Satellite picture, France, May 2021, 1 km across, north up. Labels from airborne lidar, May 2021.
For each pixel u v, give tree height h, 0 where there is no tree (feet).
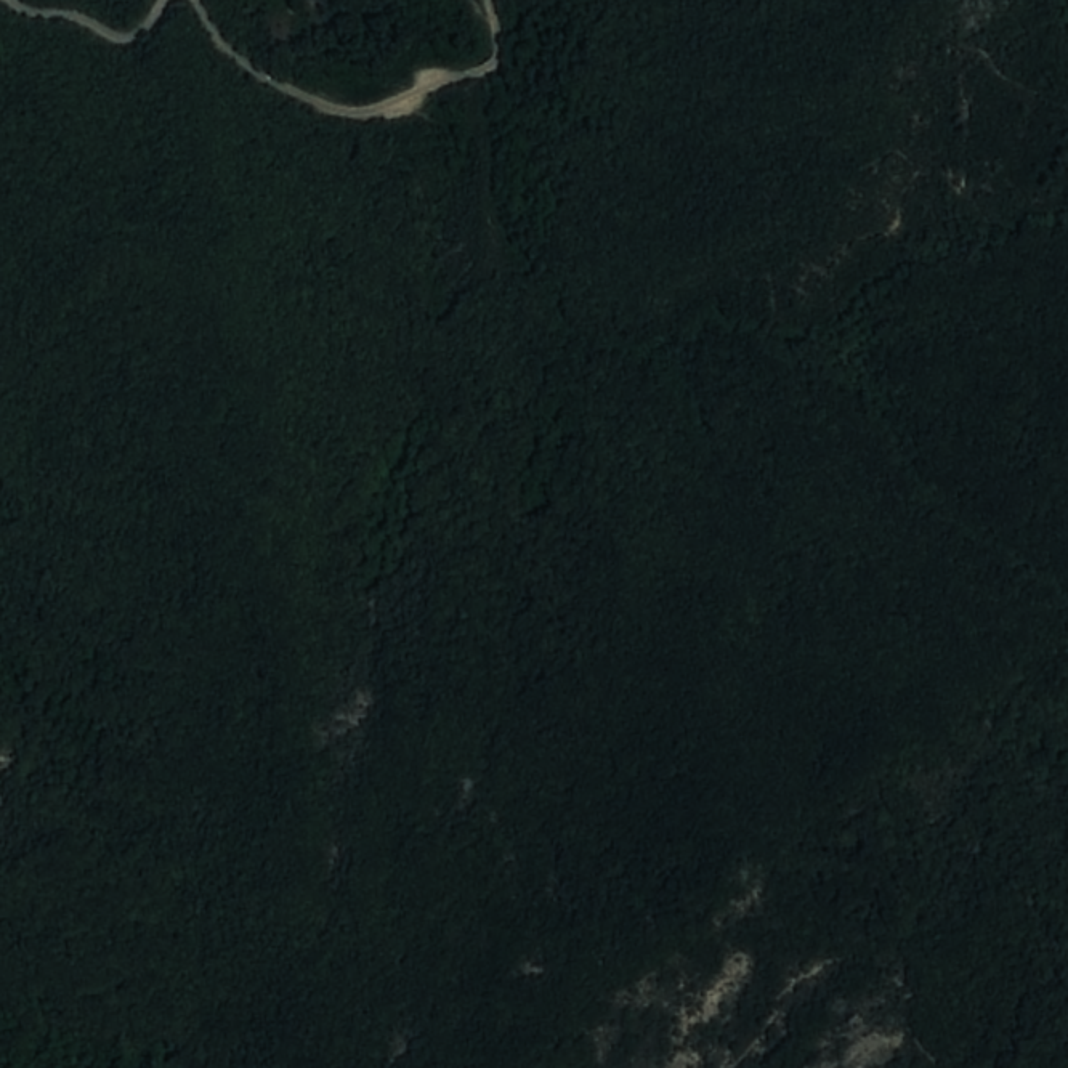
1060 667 70
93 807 45
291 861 57
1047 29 39
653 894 32
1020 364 36
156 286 37
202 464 55
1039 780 62
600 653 71
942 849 50
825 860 55
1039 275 56
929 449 48
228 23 43
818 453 63
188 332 52
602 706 64
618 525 62
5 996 57
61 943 45
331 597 52
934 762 19
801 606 41
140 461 49
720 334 59
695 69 18
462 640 51
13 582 52
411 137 18
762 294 27
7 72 32
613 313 30
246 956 32
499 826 22
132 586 62
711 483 68
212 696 35
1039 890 56
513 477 52
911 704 44
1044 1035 52
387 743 59
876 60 24
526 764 59
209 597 57
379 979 48
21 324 48
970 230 34
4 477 44
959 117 37
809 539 29
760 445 50
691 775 51
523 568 60
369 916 43
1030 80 29
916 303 60
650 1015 32
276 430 46
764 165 24
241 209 39
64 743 54
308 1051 69
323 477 43
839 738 37
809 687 57
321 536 60
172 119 50
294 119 49
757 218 26
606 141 53
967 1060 33
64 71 41
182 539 48
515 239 66
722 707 49
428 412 56
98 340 50
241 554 58
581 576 63
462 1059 42
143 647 61
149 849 44
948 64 18
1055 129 44
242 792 43
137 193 40
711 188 29
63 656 58
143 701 59
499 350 27
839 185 26
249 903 34
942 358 50
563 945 24
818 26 41
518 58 54
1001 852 38
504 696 43
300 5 68
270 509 57
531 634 51
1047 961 46
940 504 65
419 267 59
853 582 47
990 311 28
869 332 53
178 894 45
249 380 43
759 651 44
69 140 45
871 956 31
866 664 46
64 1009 65
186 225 52
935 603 66
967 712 38
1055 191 66
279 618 52
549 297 79
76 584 54
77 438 30
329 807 26
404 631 37
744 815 35
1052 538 57
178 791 30
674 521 62
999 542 60
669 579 35
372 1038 49
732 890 30
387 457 26
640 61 34
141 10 42
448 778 35
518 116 62
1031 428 34
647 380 83
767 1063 33
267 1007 52
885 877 60
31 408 45
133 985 69
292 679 42
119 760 56
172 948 50
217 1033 65
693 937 47
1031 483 55
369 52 57
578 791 55
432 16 43
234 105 36
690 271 25
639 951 18
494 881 33
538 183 29
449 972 29
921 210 24
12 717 49
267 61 56
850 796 38
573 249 53
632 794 49
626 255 43
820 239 23
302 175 43
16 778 46
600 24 49
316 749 24
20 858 46
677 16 33
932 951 36
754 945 25
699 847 41
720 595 48
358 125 35
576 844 48
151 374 49
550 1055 45
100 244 43
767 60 35
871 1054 0
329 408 56
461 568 45
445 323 50
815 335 55
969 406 46
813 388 58
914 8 30
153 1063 65
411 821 26
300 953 40
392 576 36
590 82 56
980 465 52
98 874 68
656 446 55
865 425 64
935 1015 47
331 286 46
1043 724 70
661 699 52
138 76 49
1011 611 52
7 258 44
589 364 67
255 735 38
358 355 60
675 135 40
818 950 28
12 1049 55
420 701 29
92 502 49
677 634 49
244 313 38
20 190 41
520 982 30
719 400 59
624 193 41
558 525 49
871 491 66
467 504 51
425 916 33
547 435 62
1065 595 67
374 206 42
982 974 44
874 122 29
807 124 23
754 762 51
